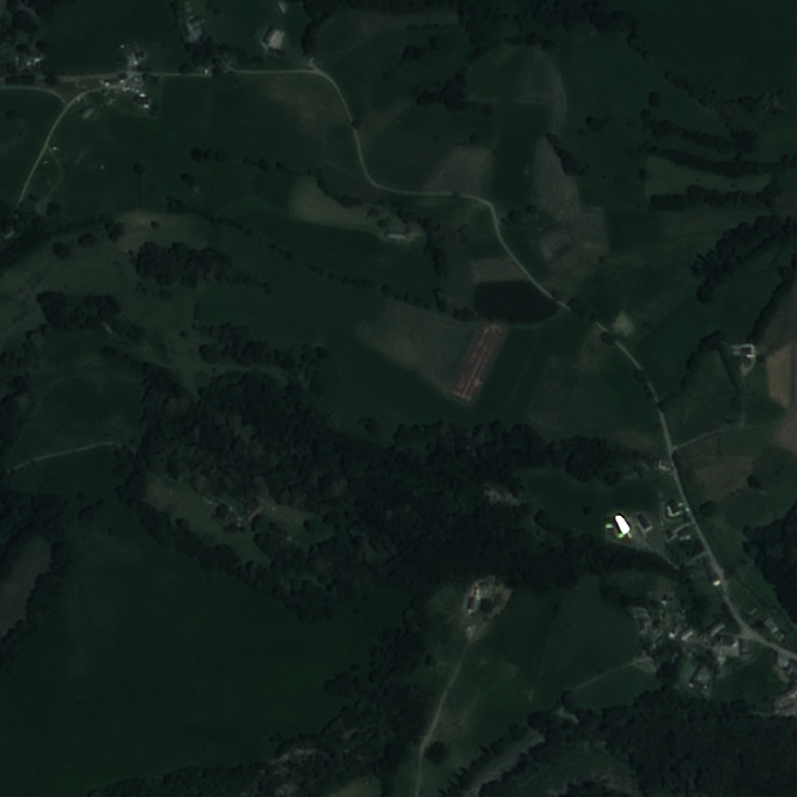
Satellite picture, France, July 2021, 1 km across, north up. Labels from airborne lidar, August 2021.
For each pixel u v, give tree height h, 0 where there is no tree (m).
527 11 7
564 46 0
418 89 8
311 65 0
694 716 20
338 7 12
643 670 0
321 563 24
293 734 0
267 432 14
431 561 24
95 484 0
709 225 0
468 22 10
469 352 0
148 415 16
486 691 0
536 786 0
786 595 20
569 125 0
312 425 14
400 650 24
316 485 23
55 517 9
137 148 0
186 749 0
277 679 0
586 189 0
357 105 0
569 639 0
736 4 0
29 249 8
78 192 0
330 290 0
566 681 0
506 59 0
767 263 0
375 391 0
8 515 12
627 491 0
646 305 0
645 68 0
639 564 10
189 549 17
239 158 0
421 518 22
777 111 12
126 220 0
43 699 0
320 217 0
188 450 23
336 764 25
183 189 0
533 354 0
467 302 0
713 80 0
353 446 17
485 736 0
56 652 0
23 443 0
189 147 0
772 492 0
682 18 0
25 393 10
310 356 9
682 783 18
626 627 0
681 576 11
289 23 0
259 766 17
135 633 0
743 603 0
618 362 0
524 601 0
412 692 21
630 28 18
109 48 0
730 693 0
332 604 22
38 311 0
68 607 0
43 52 9
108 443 0
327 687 14
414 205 0
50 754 0
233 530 12
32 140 0
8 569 19
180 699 0
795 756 22
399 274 0
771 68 0
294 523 0
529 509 14
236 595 0
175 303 0
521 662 0
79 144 0
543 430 0
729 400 0
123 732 0
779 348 0
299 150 0
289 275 0
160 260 16
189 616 0
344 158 0
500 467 13
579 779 0
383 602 0
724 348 10
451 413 0
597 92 0
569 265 0
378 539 12
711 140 15
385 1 13
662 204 20
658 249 0
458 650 0
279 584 21
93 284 0
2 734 0
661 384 0
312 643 0
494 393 0
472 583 9
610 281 0
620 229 0
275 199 0
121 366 0
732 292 0
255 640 0
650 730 22
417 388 0
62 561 16
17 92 0
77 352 0
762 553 14
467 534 31
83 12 0
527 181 0
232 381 9
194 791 24
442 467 12
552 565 20
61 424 0
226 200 0
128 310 0
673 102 0
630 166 0
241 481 23
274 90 0
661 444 0
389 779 20
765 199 17
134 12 0
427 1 9
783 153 0
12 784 0
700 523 7
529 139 0
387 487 31
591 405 0
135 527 0
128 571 0
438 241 16
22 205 11
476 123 0
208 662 0
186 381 0
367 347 0
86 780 0
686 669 0
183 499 0
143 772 0
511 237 0
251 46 0
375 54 0
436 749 11
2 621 0
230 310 0
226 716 0
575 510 0
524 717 0
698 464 0
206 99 0
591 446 10
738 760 20
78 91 0
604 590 12
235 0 0
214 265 21
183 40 7
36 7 29
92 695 0
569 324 0
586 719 20
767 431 0
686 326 0
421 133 0
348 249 0
